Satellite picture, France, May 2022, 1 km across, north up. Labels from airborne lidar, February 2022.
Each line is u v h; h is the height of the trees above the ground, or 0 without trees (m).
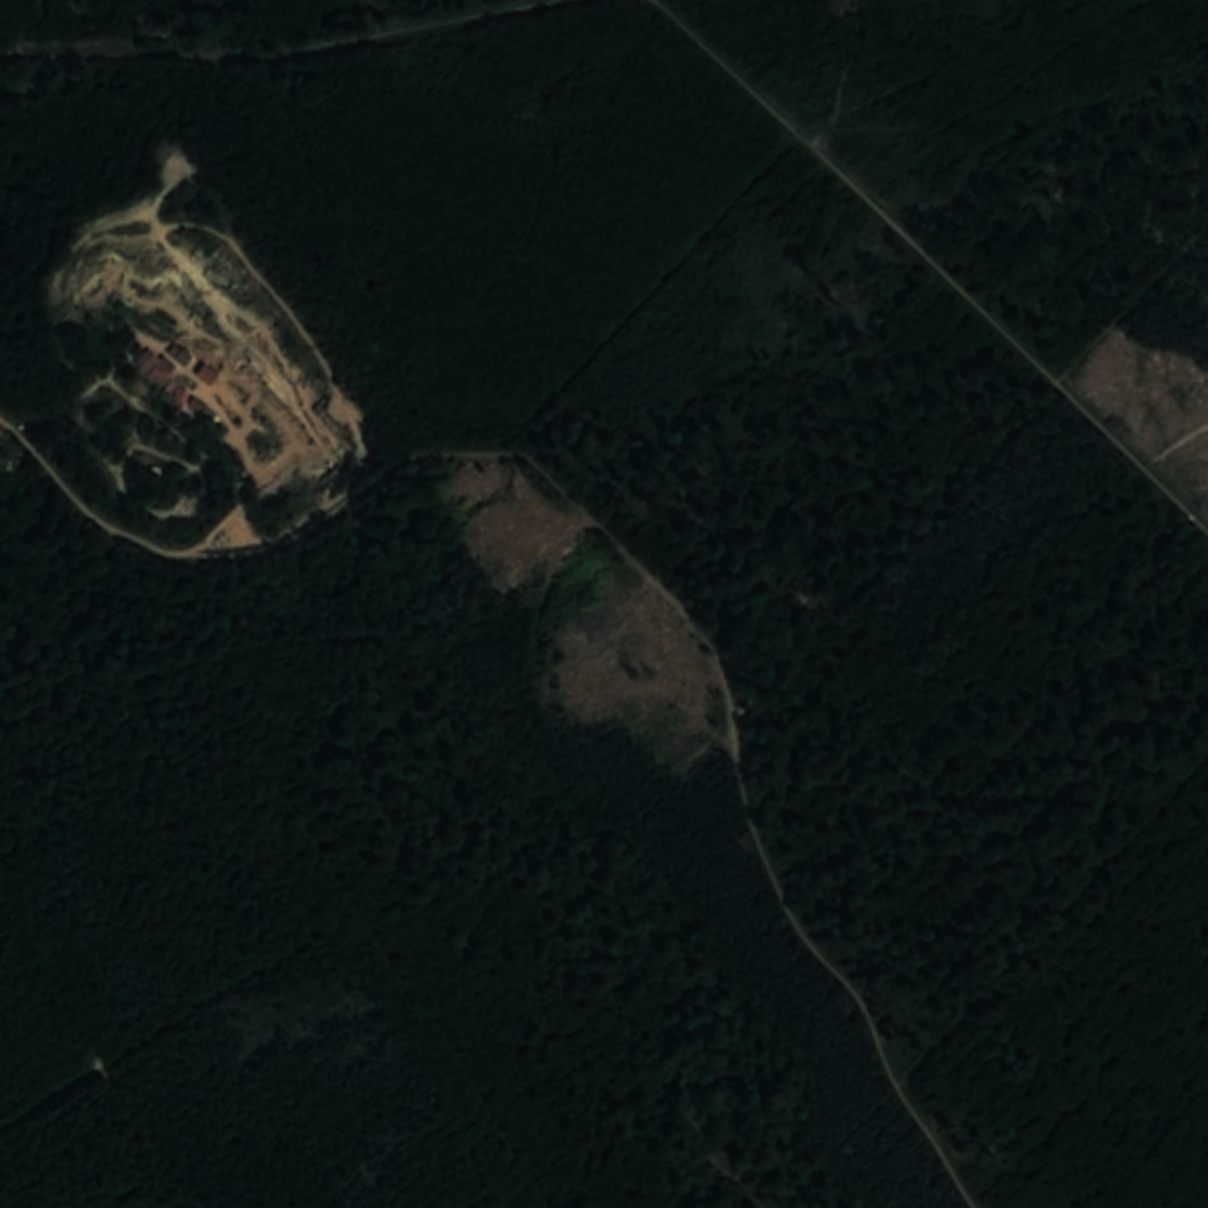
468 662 15
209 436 19
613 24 9
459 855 31
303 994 0
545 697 0
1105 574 10
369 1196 17
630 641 0
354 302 13
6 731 26
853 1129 11
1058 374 0
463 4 25
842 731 25
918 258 0
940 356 31
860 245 0
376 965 18
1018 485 19
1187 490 0
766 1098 35
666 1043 32
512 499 32
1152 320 19
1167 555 27
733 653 31
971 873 27
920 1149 9
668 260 8
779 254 0
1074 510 10
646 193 11
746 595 32
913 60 7
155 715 31
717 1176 11
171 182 0
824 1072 11
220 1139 15
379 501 26
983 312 0
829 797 7
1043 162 21
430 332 10
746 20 10
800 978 10
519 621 12
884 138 0
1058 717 28
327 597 25
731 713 0
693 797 14
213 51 0
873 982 28
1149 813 10
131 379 19
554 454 13
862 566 32
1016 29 7
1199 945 8
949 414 30
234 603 27
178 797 26
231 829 24
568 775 13
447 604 28
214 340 0
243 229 8
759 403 8
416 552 33
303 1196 20
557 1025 11
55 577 30
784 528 29
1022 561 22
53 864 23
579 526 0
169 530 14
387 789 30
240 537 0
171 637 28
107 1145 19
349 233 7
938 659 20
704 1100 35
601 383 9
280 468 0
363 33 18
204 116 9
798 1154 14
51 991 0
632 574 0
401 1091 15
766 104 0
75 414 0
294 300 11
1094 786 28
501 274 11
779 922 13
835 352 0
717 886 14
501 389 11
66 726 31
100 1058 0
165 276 0
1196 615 11
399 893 14
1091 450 20
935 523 23
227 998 19
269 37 15
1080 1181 11
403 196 8
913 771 27
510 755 23
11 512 31
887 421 30
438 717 30
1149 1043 7
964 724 27
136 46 27
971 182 0
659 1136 27
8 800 31
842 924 32
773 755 28
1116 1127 8
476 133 11
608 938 30
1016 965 29
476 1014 15
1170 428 0
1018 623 23
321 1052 16
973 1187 0
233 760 27
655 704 0
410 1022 16
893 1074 0
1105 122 29
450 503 29
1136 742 31
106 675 32
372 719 28
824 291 0
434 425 13
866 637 19
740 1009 10
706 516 31
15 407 17
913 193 0
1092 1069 8
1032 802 29
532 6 0
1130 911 11
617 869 29
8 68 15
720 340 8
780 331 0
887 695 10
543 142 6
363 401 14
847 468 28
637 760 10
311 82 27
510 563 31
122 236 0
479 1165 16
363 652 26
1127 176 29
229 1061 18
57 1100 11
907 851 26
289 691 28
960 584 12
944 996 25
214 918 25
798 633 31
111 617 29
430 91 8
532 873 29
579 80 7
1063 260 28
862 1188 9
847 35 6
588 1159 16
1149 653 30
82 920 18
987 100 6
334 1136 19
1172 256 11
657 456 32
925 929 29
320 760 28
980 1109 7
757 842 0
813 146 0
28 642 31
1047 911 28
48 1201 15
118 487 0
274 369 0
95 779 25
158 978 20
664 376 7
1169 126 27
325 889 20
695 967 29
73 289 0
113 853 25
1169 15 6
